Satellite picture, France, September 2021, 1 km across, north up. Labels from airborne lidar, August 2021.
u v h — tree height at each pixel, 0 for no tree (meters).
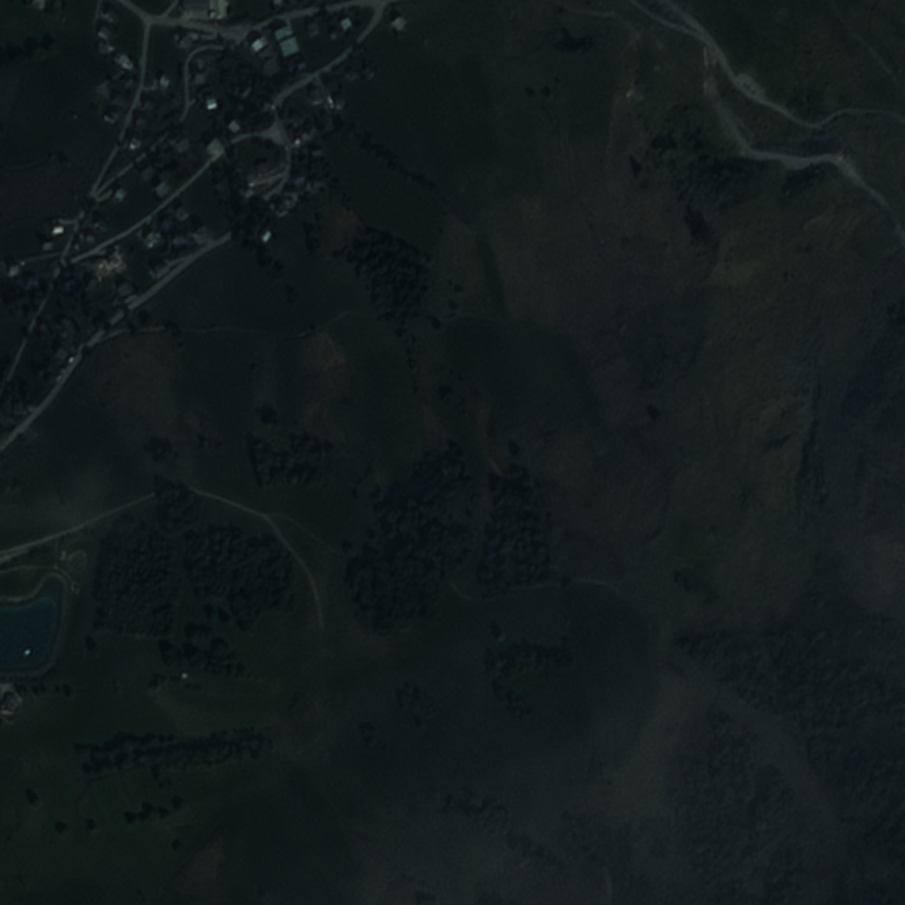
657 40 0
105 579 12
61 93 0
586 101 0
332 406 0
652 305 0
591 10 0
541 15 0
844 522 0
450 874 0
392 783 0
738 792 14
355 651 0
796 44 0
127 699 0
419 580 11
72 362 0
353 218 0
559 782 0
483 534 0
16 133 0
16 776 0
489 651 0
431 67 0
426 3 0
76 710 0
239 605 15
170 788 7
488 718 0
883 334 0
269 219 9
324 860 0
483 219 0
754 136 0
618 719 0
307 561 0
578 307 0
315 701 0
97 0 0
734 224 0
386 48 0
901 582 0
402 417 0
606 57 0
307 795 0
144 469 0
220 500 0
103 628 10
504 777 0
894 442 0
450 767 0
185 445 0
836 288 0
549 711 0
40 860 0
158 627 11
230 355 0
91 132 0
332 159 0
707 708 0
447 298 0
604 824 0
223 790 0
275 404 0
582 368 0
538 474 0
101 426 0
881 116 0
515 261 0
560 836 0
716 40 0
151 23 0
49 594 0
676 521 0
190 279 0
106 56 7
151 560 10
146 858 0
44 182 0
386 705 0
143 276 0
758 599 0
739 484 0
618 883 0
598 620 0
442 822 0
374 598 10
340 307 0
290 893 0
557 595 0
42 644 0
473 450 0
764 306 0
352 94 0
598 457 0
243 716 0
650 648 0
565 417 0
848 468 0
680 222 0
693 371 0
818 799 0
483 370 0
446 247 0
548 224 0
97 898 0
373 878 0
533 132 0
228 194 0
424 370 0
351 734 0
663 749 0
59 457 0
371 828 0
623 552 0
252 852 0
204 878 0
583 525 0
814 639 9
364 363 0
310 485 12
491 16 0
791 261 0
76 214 0
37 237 0
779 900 9
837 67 0
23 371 0
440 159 0
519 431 0
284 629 0
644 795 0
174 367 0
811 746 9
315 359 0
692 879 0
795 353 0
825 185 0
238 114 9
